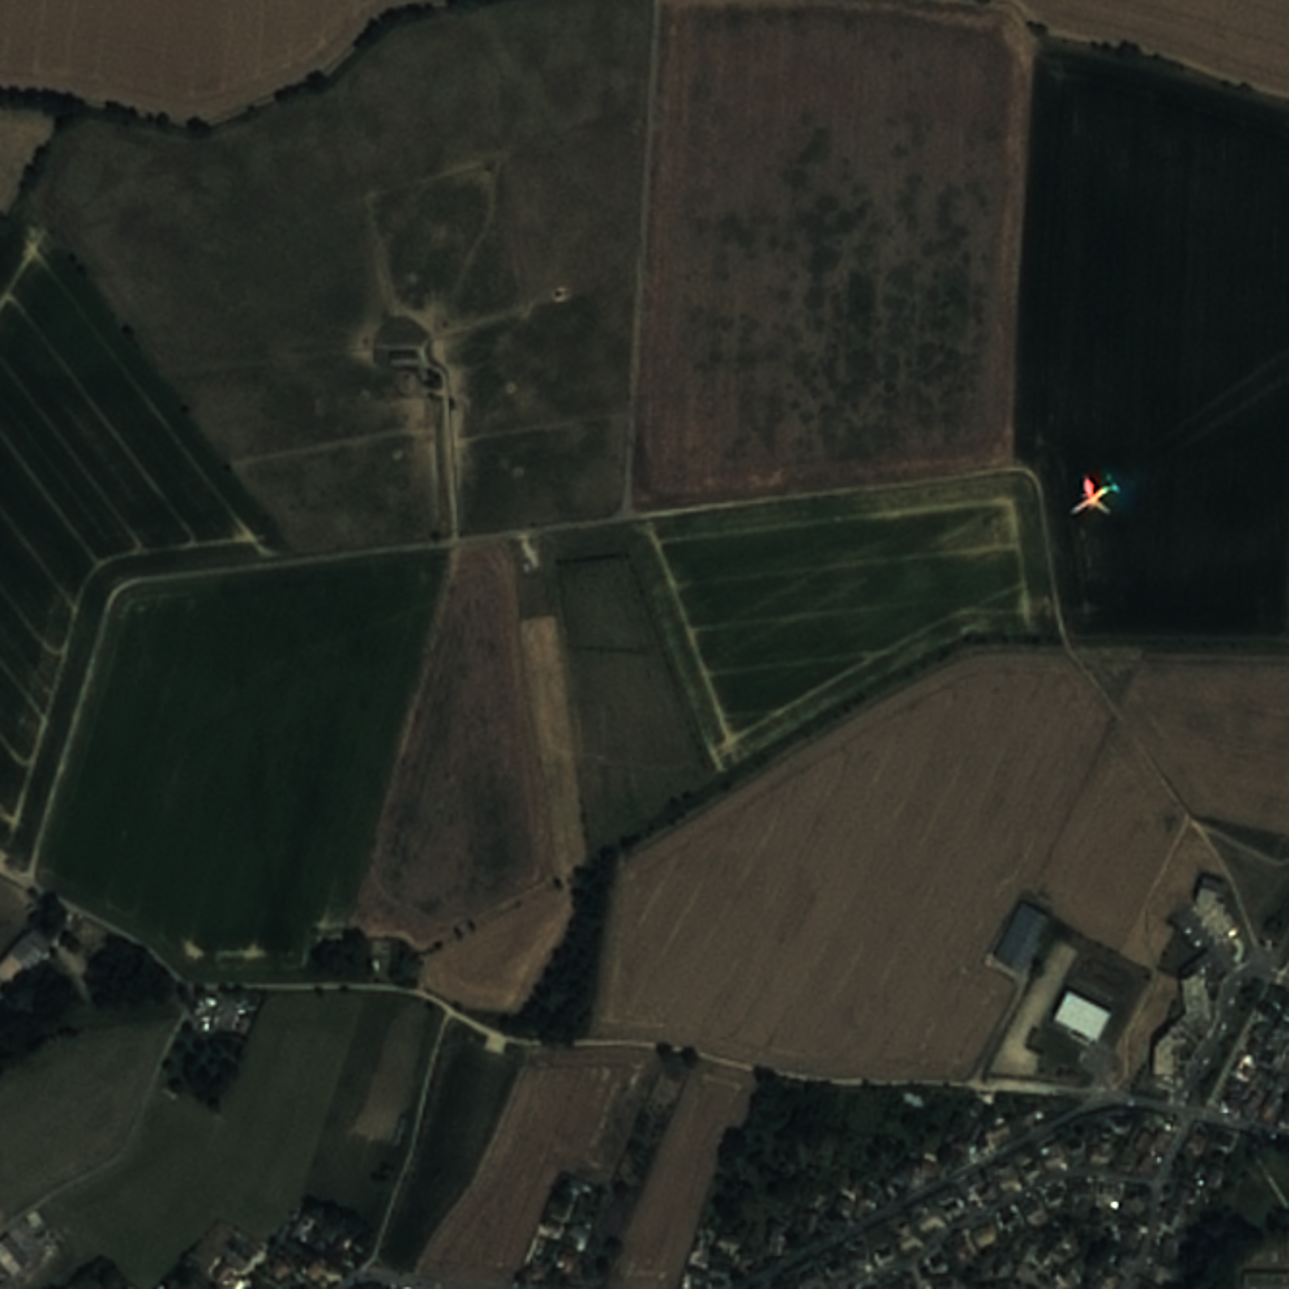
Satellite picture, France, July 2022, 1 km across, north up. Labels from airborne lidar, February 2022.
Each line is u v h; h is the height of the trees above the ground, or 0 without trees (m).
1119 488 0
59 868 0
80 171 0
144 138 0
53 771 0
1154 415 0
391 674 0
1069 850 0
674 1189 0
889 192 0
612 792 0
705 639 0
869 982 0
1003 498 0
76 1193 0
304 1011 0
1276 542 0
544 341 0
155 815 0
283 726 0
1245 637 0
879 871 0
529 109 0
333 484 0
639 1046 0
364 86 0
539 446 0
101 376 0
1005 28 0
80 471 0
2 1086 0
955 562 0
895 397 0
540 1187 0
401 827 0
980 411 0
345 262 0
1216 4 0
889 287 0
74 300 0
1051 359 0
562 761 0
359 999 0
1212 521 0
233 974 0
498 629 0
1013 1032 0
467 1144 0
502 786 0
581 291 0
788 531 0
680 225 0
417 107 0
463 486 0
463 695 0
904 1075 0
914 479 0
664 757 0
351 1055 0
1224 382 0
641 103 0
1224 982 0
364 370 0
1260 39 0
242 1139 0
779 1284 7
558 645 0
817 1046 0
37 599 0
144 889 0
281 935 0
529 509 0
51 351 0
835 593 0
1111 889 0
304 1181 0
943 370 0
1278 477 0
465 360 0
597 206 0
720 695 0
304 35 0
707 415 0
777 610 0
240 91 0
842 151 0
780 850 0
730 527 0
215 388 0
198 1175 0
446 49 0
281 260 0
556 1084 0
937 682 0
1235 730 0
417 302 0
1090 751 0
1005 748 0
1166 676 0
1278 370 0
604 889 10
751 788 0
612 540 0
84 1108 0
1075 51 0
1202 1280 24
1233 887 0
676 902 0
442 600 0
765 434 0
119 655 0
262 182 0
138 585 0
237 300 0
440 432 0
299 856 0
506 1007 0
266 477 0
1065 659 0
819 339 0
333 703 0
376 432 0
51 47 0
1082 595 0
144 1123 0
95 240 0
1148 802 0
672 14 0
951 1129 6
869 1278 0
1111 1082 0
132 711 0
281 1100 0
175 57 0
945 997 0
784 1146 10
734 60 0
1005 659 0
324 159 0
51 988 18
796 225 0
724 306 0
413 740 0
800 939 0
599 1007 0
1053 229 0
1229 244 0
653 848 0
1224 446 0
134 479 0
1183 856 0
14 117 0
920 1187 0
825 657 0
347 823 0
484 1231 0
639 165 0
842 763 0
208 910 0
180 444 0
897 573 0
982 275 0
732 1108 0
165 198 0
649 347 0
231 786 0
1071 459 0
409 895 0
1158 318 0
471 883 0
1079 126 0
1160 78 0
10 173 0
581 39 0
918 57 0
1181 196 0
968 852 0
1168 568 0
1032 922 0
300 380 0
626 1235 0
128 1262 0
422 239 0
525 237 0
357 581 0
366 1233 7
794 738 0
